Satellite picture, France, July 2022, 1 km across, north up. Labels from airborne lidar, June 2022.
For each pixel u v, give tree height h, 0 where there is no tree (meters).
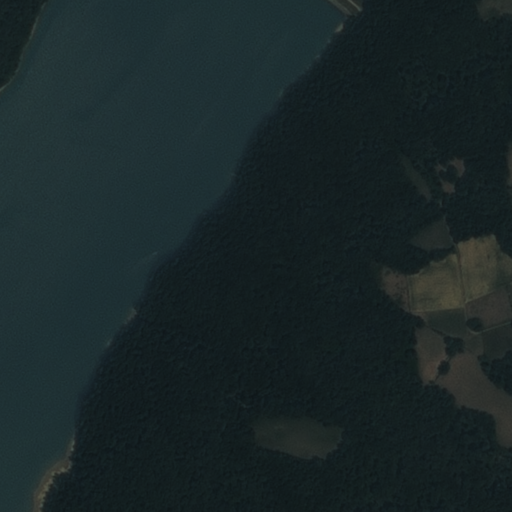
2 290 0
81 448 23
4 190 0
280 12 0
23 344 0
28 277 0
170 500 26
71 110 0
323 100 29
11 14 25
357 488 23
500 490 27
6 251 0
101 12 0
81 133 0
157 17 0
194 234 13
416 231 17
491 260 0
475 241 0
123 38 0
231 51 0
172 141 0
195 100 0
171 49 0
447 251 12
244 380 25
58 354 0
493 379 18
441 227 0
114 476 27
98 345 0
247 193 26
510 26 17
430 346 0
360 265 21
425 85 23
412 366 0
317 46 0
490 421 17
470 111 26
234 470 17
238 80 0
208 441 23
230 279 26
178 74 0
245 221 30
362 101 20
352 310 24
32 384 0
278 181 25
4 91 0
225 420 16
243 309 24
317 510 15
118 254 0
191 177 0
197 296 24
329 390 18
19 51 19
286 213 21
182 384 25
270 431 0
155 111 0
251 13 0
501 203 19
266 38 0
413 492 29
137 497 22
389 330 20
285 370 29
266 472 17
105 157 0
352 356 16
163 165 0
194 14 0
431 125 20
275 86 0
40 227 0
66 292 0
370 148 27
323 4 0
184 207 0
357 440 17
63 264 0
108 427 26
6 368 0
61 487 19
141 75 0
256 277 22
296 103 24
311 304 23
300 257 34
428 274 0
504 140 22
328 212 31
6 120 0
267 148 27
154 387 32
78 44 0
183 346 23
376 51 25
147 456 27
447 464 30
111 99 0
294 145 27
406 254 26
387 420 15
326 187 33
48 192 0
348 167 32
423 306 0
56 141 0
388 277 0
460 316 0
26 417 0
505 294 0
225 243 25
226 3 0
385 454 26
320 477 16
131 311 0
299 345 22
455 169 18
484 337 0
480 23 22
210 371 23
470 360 0
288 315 23
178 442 23
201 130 0
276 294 28
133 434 27
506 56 30
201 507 25
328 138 21
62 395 0
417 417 22
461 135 25
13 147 0
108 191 0
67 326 0
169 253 0
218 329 26
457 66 25
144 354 26
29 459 0
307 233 32
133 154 0
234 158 0
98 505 25
